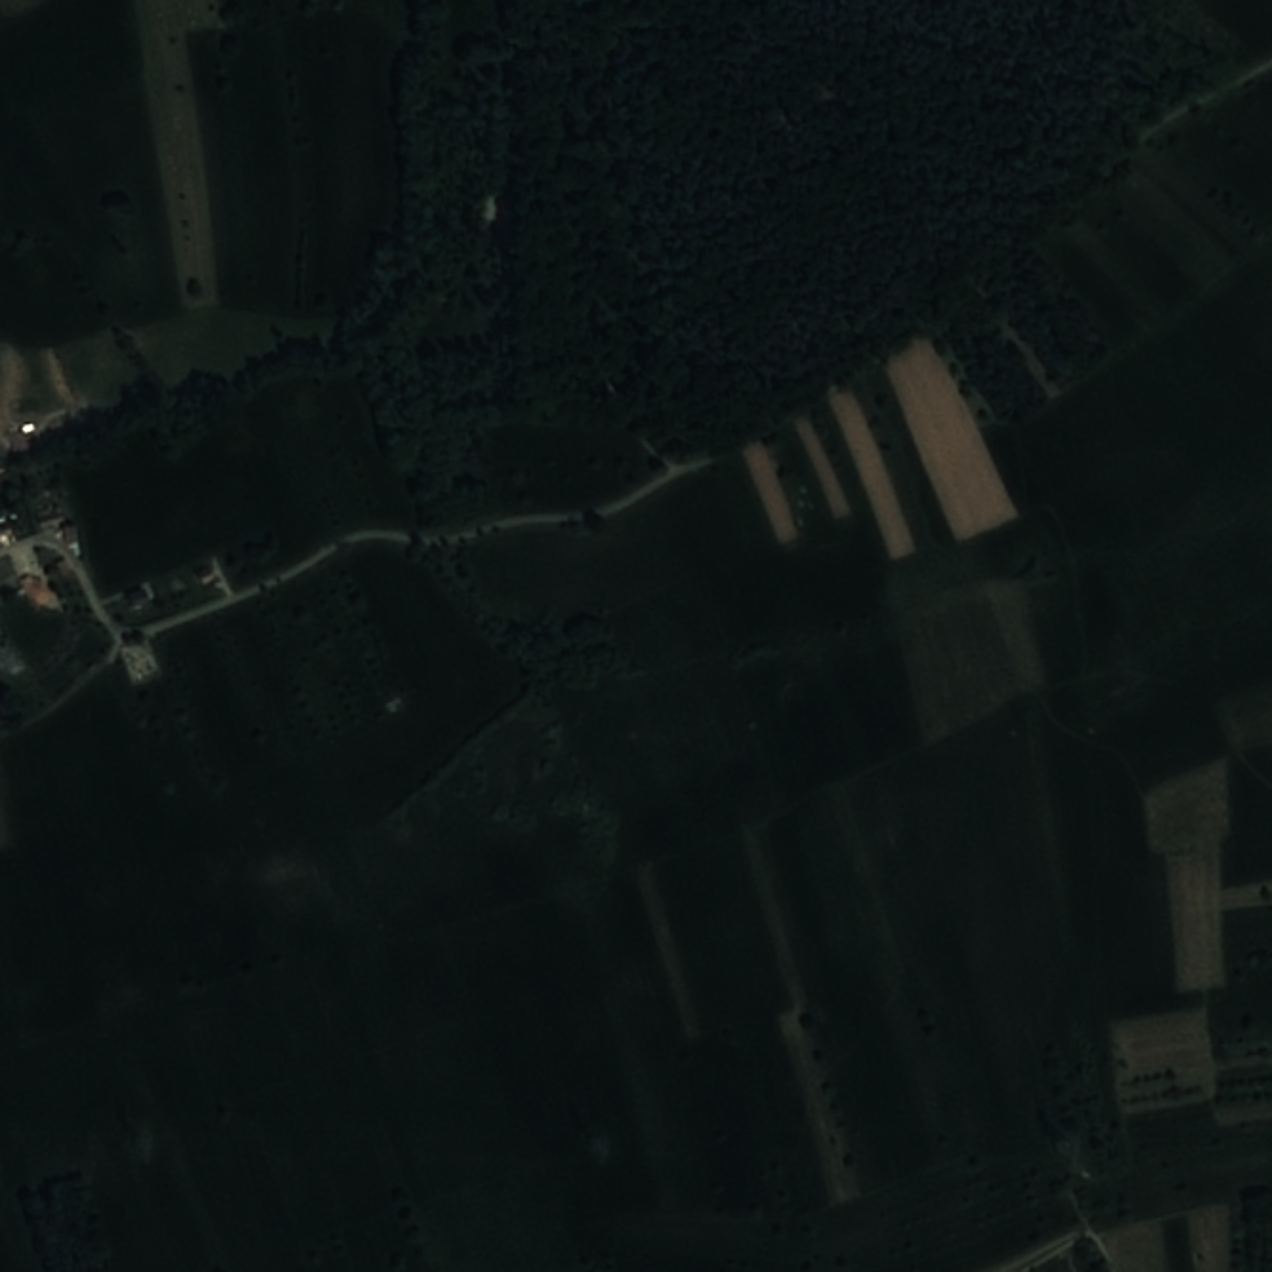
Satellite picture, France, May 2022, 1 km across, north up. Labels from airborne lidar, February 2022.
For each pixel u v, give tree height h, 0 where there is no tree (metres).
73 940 0
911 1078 0
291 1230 0
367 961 0
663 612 0
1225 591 0
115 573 0
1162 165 0
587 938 0
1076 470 0
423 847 0
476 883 0
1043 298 19
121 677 0
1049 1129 0
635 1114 0
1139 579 0
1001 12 26
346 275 0
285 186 0
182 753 0
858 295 24
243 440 0
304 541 0
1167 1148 0
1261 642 0
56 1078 0
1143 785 0
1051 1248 0
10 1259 0
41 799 0
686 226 26
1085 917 0
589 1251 0
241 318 0
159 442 12
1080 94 23
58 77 0
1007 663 0
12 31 0
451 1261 0
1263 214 0
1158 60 23
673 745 0
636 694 0
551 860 0
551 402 26
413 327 19
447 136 22
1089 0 29
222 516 0
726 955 0
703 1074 0
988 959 0
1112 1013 0
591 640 12
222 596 0
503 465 0
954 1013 0
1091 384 0
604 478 0
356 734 0
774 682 0
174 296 0
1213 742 0
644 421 20
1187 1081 0
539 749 0
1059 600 0
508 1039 0
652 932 0
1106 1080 0
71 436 14
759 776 0
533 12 29
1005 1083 0
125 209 14
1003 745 0
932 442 0
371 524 0
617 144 29
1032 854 0
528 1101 0
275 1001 0
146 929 0
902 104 27
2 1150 0
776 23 26
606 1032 0
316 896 0
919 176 29
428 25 25
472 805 0
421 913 0
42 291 0
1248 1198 15
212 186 0
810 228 26
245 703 0
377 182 0
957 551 0
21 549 0
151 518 0
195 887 0
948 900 0
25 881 0
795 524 0
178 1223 0
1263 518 0
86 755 0
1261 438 0
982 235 28
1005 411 17
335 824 0
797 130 30
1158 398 0
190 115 0
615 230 34
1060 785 0
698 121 27
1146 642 0
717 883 0
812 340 29
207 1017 0
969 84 25
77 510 0
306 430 0
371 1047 0
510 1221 0
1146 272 0
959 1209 0
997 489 0
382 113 0
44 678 0
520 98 32
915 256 26
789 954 0
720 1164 0
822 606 0
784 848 0
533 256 32
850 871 0
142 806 0
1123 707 0
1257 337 0
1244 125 0
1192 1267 0
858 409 0
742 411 28
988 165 25
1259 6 0
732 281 28
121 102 0
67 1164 0
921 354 0
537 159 33
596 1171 0
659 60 30
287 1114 0
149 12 0
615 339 30
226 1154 0
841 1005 0
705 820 0
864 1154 0
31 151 0
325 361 32
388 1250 0
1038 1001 0
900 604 0
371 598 0
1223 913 0
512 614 0
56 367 0
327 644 6
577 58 33
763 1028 0
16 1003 0
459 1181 0
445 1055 0
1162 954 0
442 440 26
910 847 0
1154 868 0
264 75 0
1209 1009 0
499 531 7
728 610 0
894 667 0
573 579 0
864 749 0
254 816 0
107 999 0
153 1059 0
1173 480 0
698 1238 0
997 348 18
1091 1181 0
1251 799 0
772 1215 0
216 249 0
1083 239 0
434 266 25
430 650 0
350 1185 0
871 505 0
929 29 28
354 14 0
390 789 0
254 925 0
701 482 0
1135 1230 0
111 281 0
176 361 0
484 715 0
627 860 0
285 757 0
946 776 0
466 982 0
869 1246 0
